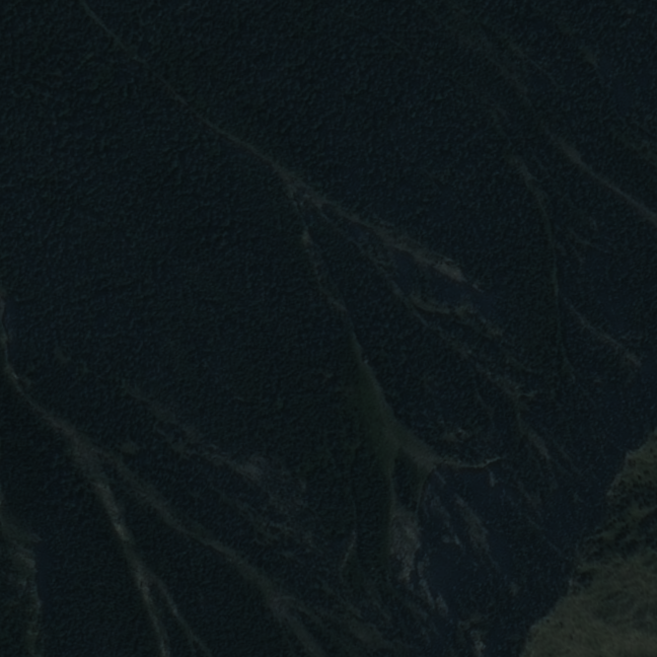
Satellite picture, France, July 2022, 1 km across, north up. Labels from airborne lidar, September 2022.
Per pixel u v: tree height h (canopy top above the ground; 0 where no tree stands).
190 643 9
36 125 21
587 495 10
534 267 13
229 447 11
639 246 10
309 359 15
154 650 6
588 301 11
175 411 7
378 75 22
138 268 24
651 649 0
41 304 20
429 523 9
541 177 11
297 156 24
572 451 6
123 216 19
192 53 24
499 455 7
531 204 15
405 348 12
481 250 15
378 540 8
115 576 12
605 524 10
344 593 12
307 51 27
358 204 12
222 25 17
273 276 29
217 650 8
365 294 22
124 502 7
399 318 14
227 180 24
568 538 8
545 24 19
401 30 21
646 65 11
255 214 17
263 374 17
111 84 24
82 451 0
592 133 11
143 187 18
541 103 14
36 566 0
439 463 0
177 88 17
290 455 11
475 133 25
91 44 23
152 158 19
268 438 11
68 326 11
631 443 7
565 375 13
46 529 10
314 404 12
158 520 12
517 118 14
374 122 14
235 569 7
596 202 9
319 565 6
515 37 7
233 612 9
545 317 14
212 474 11
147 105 20
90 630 12
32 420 20
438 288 14
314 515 12
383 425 0
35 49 22
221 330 11
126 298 20
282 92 20
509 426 8
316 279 7
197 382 21
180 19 26
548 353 10
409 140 23
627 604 0
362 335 16
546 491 11
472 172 32
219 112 17
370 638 0
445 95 25
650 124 7
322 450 11
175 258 19
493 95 9
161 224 16
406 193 13
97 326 10
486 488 8
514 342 9
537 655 0
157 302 16
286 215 15
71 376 22
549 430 13
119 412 21
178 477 16
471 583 10
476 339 13
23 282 13
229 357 10
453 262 7
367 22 16
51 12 15
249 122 16
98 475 0
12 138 17
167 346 15
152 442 15
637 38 22
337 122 23
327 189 8
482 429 7
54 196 22
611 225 13
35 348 8
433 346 19
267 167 19
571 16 12
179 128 20
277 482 9
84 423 16
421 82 23
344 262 15
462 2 19
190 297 21
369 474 11
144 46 9
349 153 33
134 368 12
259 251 13
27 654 10
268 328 20
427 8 11
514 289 16
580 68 25
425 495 0
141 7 15
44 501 18
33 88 12
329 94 20
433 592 0
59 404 8
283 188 15
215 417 12
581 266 14
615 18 15
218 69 18
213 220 22
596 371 9
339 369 18
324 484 9
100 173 21
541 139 12
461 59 16
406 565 0
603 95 15
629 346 11
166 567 12
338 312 9
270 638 6
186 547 12
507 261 12
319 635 7
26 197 20
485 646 0
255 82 10
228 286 24
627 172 12
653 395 10
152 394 13
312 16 16
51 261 18
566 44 16
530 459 9
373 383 0
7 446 12
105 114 19
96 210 12
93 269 22
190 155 28
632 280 11
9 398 21
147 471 17
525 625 11
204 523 11
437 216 12
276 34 24
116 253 14
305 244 7
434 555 0
